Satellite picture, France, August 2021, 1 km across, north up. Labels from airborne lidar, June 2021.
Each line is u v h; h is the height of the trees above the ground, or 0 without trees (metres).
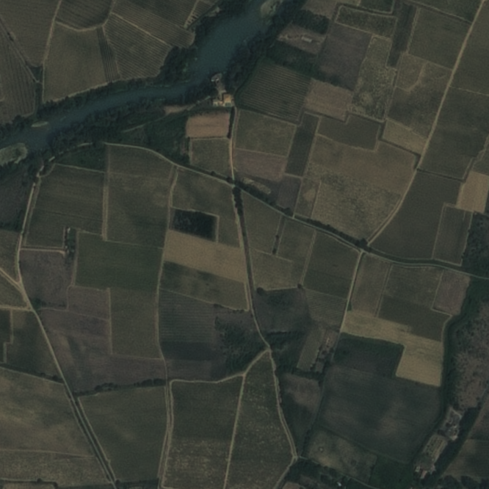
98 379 0
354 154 0
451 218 0
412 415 0
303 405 0
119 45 0
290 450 0
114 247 0
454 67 0
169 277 0
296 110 0
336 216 0
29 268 0
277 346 7
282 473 0
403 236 0
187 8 0
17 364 0
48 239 0
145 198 0
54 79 0
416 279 0
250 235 0
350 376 0
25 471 0
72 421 0
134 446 0
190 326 0
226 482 0
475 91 0
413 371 0
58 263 0
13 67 0
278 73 0
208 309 0
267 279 0
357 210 0
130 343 0
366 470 0
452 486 23
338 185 0
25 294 0
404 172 0
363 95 0
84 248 0
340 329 0
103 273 0
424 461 0
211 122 0
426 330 0
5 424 0
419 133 0
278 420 0
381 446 0
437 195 0
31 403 0
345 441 0
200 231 8
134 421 0
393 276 0
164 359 0
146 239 0
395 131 0
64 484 0
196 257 0
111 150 0
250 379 0
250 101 0
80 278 0
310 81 0
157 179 0
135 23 0
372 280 0
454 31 0
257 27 0
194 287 0
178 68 12
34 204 0
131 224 0
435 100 0
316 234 0
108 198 0
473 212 0
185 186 0
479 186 0
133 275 0
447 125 0
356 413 0
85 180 0
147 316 0
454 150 0
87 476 0
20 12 0
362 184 0
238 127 0
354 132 0
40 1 0
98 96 15
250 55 24
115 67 0
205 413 0
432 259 0
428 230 0
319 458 0
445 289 0
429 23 0
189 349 0
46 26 0
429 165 0
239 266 0
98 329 0
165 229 0
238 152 0
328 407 0
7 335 0
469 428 18
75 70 0
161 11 0
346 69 0
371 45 0
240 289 0
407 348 0
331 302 0
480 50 0
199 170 0
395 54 0
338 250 0
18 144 0
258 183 0
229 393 0
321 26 6
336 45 0
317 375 11
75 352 0
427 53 0
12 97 0
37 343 0
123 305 0
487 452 0
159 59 0
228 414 0
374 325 0
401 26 0
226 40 0
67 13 0
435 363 0
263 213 0
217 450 0
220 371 0
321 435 0
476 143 0
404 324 0
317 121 0
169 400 0
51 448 0
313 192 0
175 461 0
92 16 0
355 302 0
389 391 0
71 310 0
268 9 0
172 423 0
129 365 0
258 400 0
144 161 0
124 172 0
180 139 6
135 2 0
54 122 0
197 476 0
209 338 0
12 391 0
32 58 0
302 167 0
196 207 0
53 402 0
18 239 0
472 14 0
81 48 0
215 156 0
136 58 0
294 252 0
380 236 0
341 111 0
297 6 7
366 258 0
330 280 0
